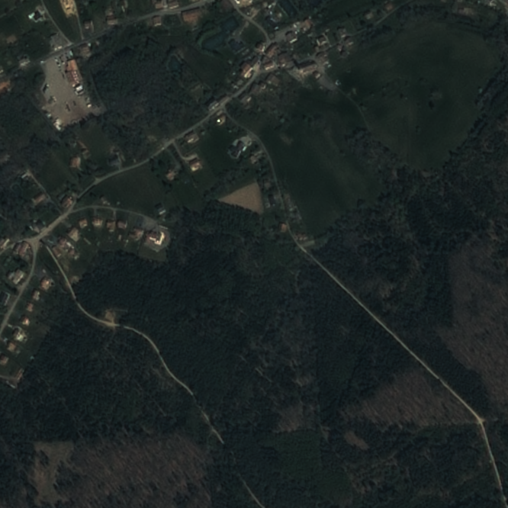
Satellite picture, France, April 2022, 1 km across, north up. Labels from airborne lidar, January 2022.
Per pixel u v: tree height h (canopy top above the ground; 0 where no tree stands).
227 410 11
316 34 0
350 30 0
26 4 7
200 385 12
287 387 12
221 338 11
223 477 22
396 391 22
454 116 0
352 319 18
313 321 29
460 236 11
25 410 10
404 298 8
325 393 22
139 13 0
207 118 0
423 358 18
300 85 14
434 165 0
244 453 20
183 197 0
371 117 0
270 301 14
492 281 24
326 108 0
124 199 0
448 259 24
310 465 14
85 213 0
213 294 14
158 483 25
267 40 0
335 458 23
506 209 9
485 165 9
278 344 22
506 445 12
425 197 8
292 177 0
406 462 23
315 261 24
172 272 15
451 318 17
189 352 9
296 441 14
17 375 0
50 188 0
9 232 21
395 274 12
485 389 20
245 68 0
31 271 0
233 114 6
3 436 15
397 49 0
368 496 6
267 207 0
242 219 13
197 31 0
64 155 0
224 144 0
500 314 22
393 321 16
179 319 13
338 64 0
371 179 0
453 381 20
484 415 15
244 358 7
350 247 24
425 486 22
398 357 19
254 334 10
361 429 22
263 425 7
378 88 0
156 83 21
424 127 0
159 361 6
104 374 9
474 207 8
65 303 8
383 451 23
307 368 24
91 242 0
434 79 0
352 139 13
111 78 14
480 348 22
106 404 10
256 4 0
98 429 12
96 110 0
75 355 10
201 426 14
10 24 0
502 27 8
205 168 0
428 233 11
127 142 11
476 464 18
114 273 8
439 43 0
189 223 21
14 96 13
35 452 13
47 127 15
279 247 12
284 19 0
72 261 0
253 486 16
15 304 0
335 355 19
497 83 17
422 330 20
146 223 0
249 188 0
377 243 12
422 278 8
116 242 0
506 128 9
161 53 12
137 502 26
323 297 23
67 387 8
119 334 8
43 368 11
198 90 0
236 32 0
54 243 0
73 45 0
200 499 27
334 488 12
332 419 23
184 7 0
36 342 0
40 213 15
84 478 20
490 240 21
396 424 18
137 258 6
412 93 0
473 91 0
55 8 0
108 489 24
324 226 0
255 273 16
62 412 10
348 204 0
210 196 17
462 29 0
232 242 16
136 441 20
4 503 22
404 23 21
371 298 18
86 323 10
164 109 17
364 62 0
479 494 6
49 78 0
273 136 0
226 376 12
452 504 10
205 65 0
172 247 9
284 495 17
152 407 8
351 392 19
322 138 0
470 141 8
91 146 0
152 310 9
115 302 10
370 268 22
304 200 0
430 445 19
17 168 19
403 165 9
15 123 18
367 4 0
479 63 0
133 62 17
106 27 0
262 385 7
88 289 11
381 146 11
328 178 0
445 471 23
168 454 23
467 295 24
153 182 0
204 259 14
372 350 18
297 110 0
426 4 0
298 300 23
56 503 0
